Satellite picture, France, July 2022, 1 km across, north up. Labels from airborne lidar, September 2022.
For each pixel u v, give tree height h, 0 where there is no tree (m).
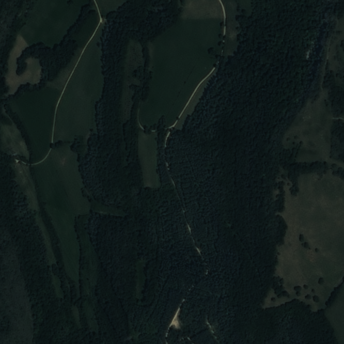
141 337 13
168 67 0
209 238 17
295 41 18
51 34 0
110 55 15
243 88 20
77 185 0
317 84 7
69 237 0
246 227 16
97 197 20
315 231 0
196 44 0
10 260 6
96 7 0
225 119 21
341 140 11
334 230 0
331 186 0
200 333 16
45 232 0
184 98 0
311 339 16
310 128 0
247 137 18
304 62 11
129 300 14
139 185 13
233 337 16
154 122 0
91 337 20
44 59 19
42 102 0
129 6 15
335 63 0
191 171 15
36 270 18
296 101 13
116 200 15
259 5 10
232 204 16
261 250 17
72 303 13
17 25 20
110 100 16
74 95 0
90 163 18
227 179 19
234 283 17
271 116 22
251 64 22
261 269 17
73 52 19
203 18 0
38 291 22
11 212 22
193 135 24
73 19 0
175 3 13
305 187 0
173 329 13
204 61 0
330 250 0
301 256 0
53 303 21
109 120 19
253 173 19
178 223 13
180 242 15
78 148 20
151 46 0
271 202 8
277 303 0
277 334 22
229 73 13
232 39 0
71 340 18
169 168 9
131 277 14
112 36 23
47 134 0
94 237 17
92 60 0
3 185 18
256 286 14
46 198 0
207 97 21
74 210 0
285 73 20
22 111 0
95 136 16
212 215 17
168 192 10
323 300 0
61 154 0
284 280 11
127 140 15
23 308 6
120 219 21
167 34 0
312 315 15
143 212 13
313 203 0
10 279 7
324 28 6
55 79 18
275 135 10
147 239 18
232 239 18
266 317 16
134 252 24
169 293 20
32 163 9
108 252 16
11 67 0
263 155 14
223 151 19
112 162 15
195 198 17
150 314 15
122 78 19
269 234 14
